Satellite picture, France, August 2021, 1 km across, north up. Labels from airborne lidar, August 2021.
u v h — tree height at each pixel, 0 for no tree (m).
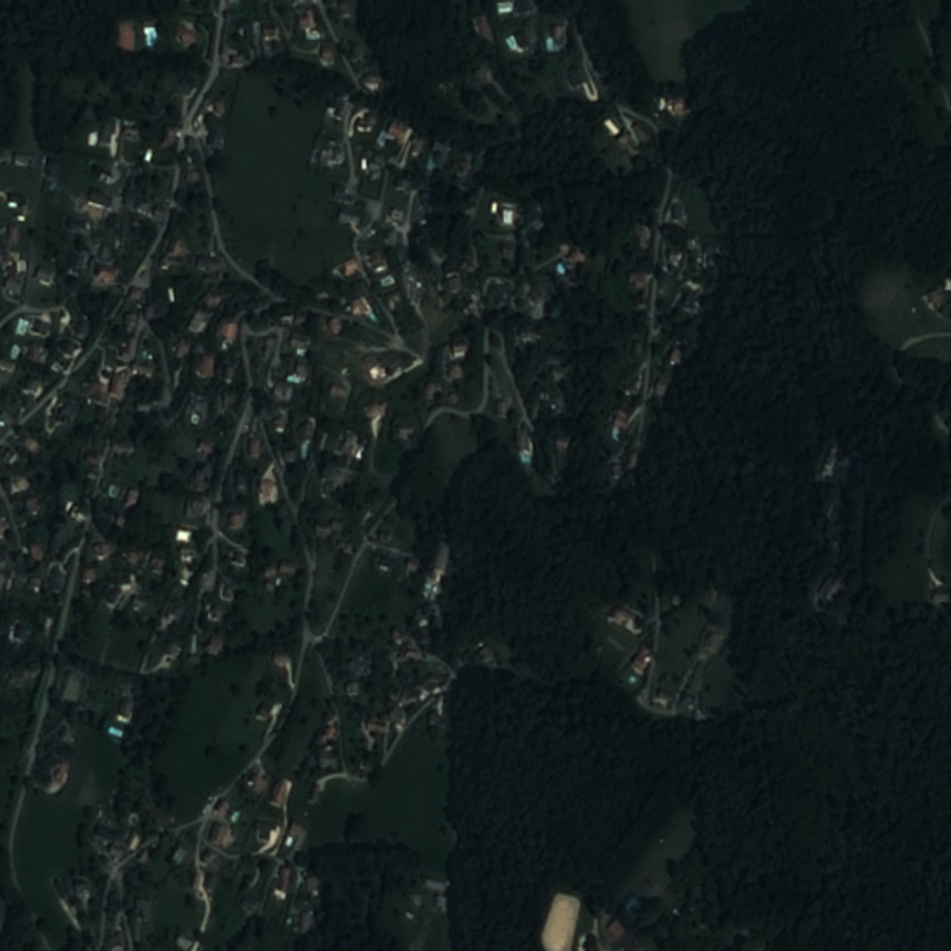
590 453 7
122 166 0
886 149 25
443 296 7
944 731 22
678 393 19
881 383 16
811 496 8
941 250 22
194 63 14
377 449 0
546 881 23
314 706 8
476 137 26
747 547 28
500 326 17
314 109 0
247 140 0
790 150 25
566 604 19
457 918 16
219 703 0
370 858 27
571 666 22
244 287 10
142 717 20
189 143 11
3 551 0
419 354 0
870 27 24
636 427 0
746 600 23
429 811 0
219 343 0
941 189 25
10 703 5
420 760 0
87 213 0
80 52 28
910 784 18
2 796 0
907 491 21
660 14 0
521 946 23
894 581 0
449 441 0
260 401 16
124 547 8
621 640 0
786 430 31
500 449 19
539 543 22
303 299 24
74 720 12
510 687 29
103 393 0
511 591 18
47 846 0
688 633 0
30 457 10
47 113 21
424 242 22
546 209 21
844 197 25
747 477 22
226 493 6
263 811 0
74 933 15
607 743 39
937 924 30
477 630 16
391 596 0
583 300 17
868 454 18
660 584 11
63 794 6
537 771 26
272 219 0
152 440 17
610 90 20
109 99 10
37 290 0
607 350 10
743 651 14
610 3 27
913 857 13
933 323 0
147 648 10
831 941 7
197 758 0
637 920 6
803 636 23
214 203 9
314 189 0
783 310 22
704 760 23
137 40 0
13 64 20
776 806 21
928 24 0
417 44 33
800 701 20
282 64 14
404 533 0
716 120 28
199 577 7
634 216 17
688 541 38
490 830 25
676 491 30
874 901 19
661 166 17
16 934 21
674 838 0
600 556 34
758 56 28
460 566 13
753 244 28
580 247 17
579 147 6
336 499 9
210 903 0
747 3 0
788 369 30
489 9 16
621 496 6
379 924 15
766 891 24
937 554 0
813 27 32
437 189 16
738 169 25
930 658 19
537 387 7
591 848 28
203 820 0
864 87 32
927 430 19
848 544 24
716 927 9
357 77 0
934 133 0
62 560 7
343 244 0
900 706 21
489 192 23
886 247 14
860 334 17
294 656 7
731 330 27
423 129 27
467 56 6
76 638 10
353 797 0
